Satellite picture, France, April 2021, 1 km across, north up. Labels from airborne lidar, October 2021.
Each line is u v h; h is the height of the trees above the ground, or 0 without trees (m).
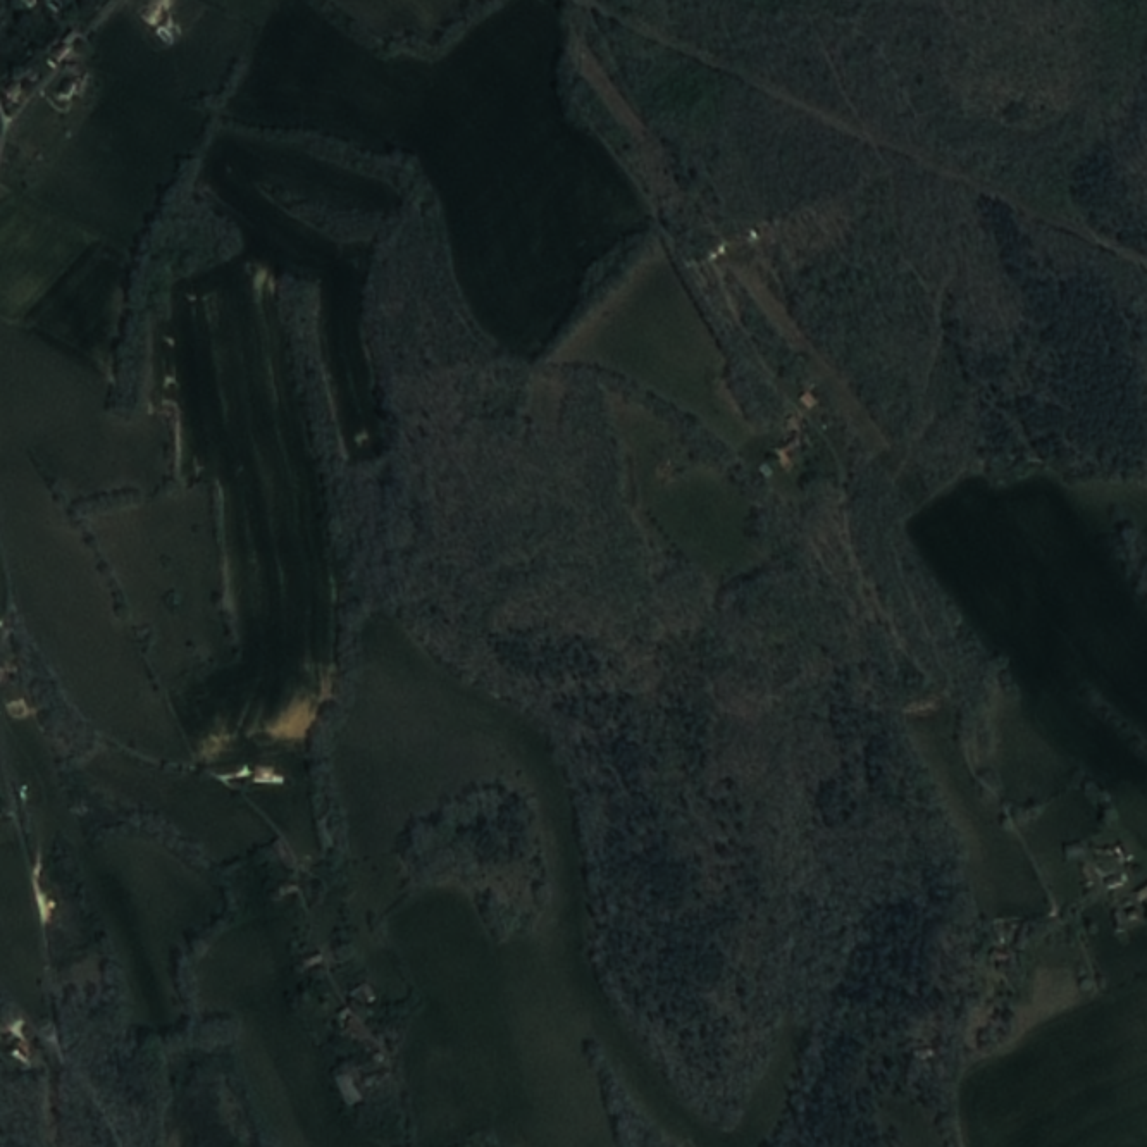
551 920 0
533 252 0
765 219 7
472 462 11
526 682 9
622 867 16
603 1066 18
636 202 0
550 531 13
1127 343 17
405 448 17
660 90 17
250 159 0
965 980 16
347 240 11
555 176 0
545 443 12
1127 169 11
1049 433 18
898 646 10
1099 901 0
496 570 14
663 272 0
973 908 9
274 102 0
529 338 0
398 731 0
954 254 12
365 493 14
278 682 0
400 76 0
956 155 16
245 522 0
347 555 8
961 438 15
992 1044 13
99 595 0
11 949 0
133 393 14
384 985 0
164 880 0
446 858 20
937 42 12
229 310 0
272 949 0
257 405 0
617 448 19
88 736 15
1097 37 15
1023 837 0
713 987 10
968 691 14
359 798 0
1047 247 14
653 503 0
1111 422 15
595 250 0
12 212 0
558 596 10
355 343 0
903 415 10
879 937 26
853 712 9
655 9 16
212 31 0
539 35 0
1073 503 0
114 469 0
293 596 0
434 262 8
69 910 0
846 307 20
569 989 0
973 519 0
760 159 9
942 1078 20
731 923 11
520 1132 0
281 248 0
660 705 7
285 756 0
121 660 0
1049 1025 0
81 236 0
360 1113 8
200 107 8
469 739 0
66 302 0
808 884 14
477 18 16
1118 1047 0
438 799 0
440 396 11
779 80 8
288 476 0
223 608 18
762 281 8
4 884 0
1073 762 0
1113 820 16
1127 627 0
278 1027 0
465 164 0
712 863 9
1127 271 15
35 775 0
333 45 0
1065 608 0
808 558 14
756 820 12
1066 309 18
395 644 0
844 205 14
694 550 0
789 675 7
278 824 0
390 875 0
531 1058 0
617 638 10
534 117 0
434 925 0
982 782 10
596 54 14
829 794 14
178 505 0
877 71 16
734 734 10
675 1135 0
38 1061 15
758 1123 0
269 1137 7
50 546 0
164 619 0
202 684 0
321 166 0
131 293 17
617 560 14
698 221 7
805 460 7
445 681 0
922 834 14
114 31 0
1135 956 0
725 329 16
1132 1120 0
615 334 0
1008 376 14
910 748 11
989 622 0
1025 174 17
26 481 0
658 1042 14
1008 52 11
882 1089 18
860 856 20
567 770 19
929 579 12
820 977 25
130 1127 23
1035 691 0
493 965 0
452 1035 0
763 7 15
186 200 15
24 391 0
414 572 12
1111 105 14
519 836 15
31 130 0
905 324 17
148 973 0
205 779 14
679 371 0
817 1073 23
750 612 25
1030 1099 0
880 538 18
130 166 0
